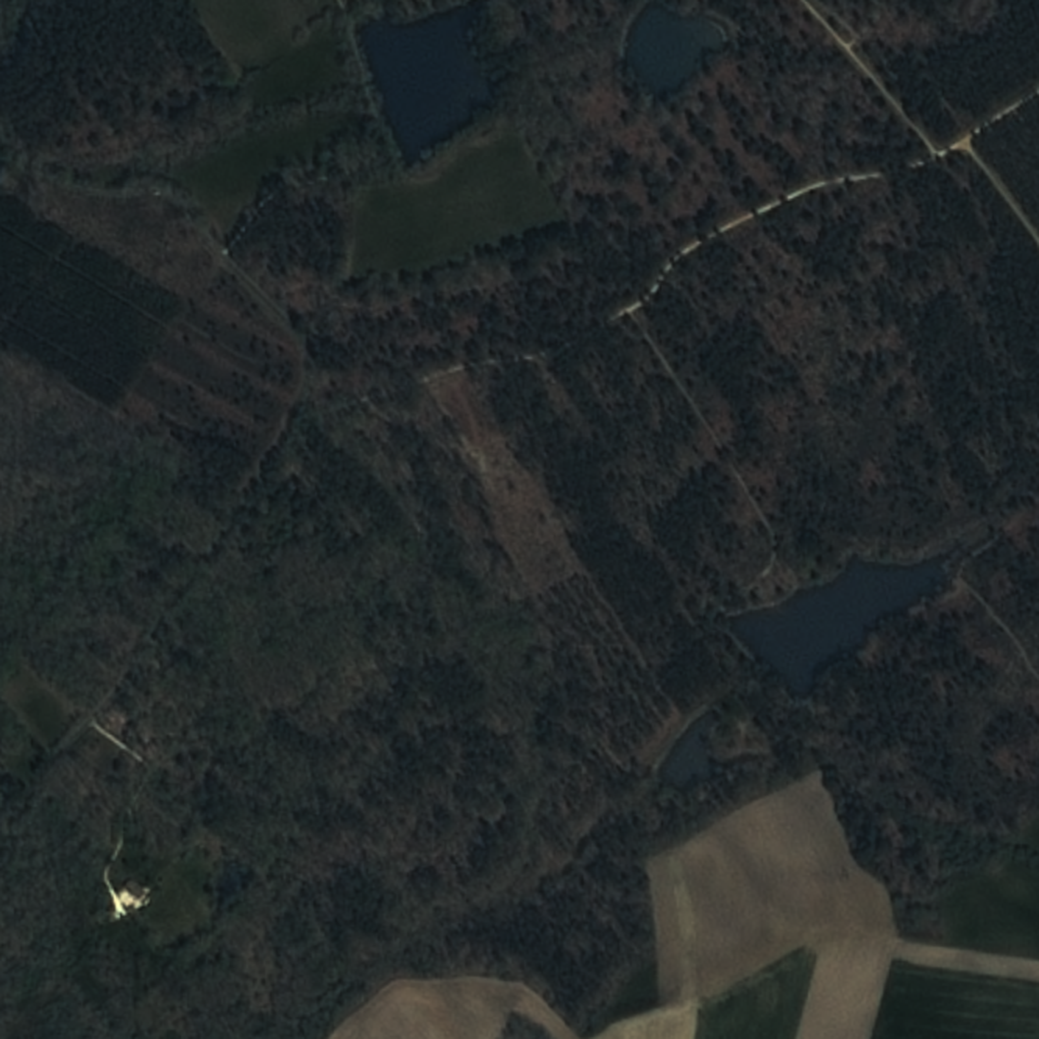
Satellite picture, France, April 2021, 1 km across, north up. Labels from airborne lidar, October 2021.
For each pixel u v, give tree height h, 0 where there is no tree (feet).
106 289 39
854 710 45
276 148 0
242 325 20
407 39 0
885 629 38
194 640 86
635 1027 0
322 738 52
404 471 61
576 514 46
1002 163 53
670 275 21
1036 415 56
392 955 73
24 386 44
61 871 52
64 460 58
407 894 60
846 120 39
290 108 43
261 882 63
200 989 40
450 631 54
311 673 48
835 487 34
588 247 72
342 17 51
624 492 36
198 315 23
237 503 52
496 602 66
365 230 0
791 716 43
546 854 52
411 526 78
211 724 51
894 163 50
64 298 28
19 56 47
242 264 43
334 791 69
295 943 72
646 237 44
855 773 20
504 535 0
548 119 59
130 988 30
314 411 49
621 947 66
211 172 0
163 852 54
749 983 0
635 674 46
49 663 43
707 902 0
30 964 31
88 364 52
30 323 43
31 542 48
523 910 31
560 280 51
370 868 81
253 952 28
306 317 28
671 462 33
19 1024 21
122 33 79
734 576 31
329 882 27
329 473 81
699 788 54
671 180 36
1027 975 0
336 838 91
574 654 56
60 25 91
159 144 48
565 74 50
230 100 58
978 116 54
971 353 49
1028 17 53
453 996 0
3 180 78
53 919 49
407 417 88
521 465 63
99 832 53
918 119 52
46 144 82
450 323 48
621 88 33
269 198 33
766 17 31
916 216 20
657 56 0
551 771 55
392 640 51
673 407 40
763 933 0
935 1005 0
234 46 0
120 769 47
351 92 51
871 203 23
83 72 77
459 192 0
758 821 0
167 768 57
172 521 68
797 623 0
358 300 35
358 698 51
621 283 51
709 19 0
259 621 68
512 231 0
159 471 54
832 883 0
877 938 0
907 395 55
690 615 47
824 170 30
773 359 58
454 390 0
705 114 50
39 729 0
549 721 44
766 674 57
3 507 51
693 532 53
